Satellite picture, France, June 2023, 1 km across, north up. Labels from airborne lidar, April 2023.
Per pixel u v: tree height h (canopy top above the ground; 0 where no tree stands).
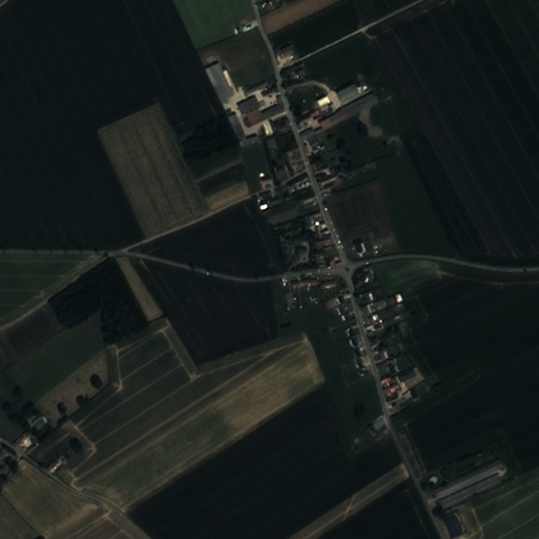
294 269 7
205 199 0
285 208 0
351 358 0
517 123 0
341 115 0
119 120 0
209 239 0
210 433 0
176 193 0
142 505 0
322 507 0
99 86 0
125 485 0
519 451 0
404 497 0
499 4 0
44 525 0
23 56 0
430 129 0
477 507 0
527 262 0
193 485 0
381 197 0
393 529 0
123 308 17
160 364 0
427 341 0
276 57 0
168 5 0
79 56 0
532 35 0
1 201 0
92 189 0
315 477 0
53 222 0
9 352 0
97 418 0
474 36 0
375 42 0
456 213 0
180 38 0
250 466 0
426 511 0
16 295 0
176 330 0
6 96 0
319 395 0
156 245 0
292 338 0
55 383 0
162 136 0
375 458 0
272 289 0
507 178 0
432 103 0
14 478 0
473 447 0
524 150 0
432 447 0
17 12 0
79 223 0
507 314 0
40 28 0
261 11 0
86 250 0
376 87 0
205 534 0
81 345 0
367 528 0
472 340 0
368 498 0
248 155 0
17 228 0
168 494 0
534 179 0
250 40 0
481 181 0
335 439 0
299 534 0
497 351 0
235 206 0
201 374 0
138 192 0
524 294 0
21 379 0
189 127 0
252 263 0
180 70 0
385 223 0
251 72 0
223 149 12
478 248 0
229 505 0
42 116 0
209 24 0
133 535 0
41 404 0
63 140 0
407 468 0
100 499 0
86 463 0
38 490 0
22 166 0
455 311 0
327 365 0
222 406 0
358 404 0
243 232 0
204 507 0
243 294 0
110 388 0
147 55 0
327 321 0
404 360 0
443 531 0
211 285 0
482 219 0
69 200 0
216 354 0
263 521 0
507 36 0
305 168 0
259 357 0
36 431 12
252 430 0
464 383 0
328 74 0
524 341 0
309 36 0
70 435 0
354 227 0
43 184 0
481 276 0
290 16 0
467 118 0
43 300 0
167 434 0
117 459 0
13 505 0
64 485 0
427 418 0
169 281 0
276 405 0
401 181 0
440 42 0
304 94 0
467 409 0
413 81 0
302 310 0
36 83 0
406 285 0
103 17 0
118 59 0
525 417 0
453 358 0
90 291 17
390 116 0
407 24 0
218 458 0
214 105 0
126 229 0
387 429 0
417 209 0
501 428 0
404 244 0
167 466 0
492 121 0
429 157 0
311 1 0
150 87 0
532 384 0
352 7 0
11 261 0
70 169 0
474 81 0
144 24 0
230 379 0
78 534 0
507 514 0
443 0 0
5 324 0
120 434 0
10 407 15
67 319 19
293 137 6
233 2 0
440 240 0
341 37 0
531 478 0
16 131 0
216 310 0
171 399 0
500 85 0
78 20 0
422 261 0
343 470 0
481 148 0
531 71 0
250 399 0
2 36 0
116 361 0
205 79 0
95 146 0
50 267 0
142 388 0
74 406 0
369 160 0
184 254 0
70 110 0
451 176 0
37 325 0
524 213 0
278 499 0
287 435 0
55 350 0
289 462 0
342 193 0
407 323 0
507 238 0
